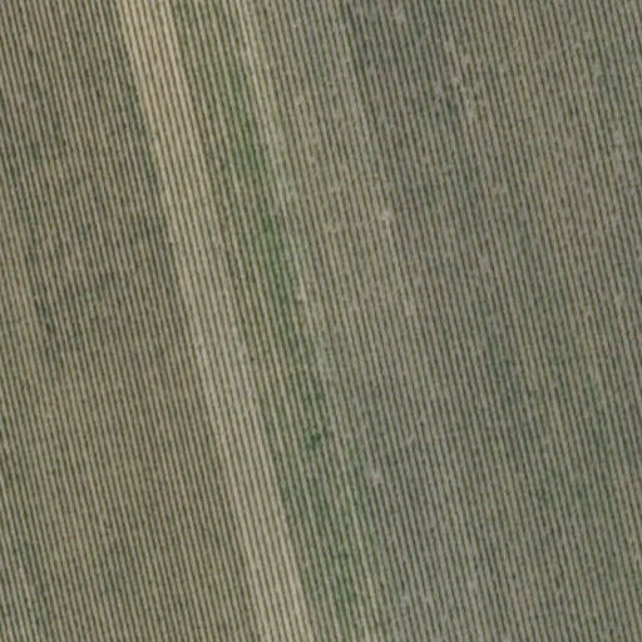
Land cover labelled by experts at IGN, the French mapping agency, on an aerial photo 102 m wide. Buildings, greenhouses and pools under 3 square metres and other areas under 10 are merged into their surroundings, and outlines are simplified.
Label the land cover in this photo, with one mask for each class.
<instances>
[{"label":"vineyard","instance_id":"1","mask_svg":"<svg viewBox=\"0 0 642 642\"><path fill-rule=\"evenodd\" d=\"M0 642H642V0H0Z\"/></svg>","mask_w":642,"mask_h":642}]
</instances>
